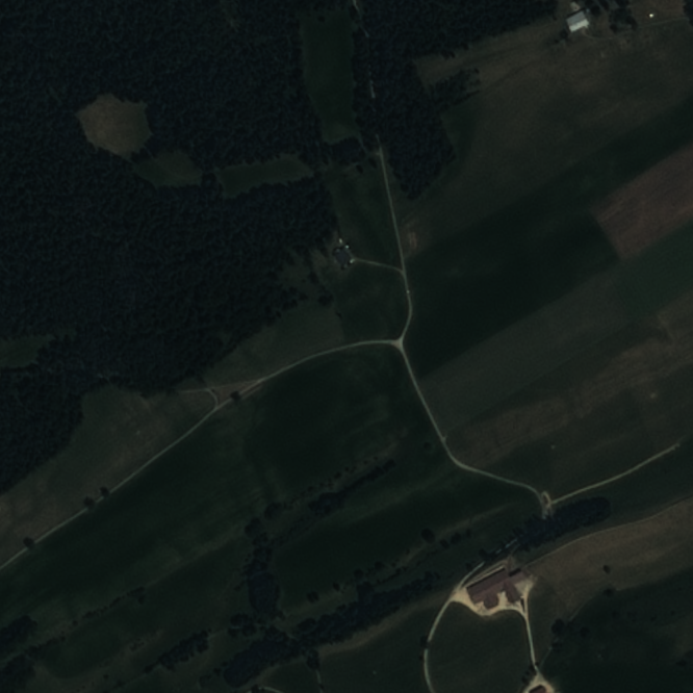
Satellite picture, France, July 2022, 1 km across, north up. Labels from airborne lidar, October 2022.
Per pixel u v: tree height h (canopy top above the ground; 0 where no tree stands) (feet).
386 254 0
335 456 0
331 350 0
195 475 0
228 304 21
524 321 0
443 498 0
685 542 0
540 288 0
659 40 0
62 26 61
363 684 0
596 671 0
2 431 70
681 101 0
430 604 0
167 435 0
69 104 62
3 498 0
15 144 69
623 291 0
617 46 0
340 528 0
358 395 0
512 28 25
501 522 0
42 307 69
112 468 0
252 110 65
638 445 0
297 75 59
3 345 0
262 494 0
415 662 0
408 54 56
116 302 56
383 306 0
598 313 0
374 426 0
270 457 0
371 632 0
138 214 73
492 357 0
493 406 0
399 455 0
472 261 0
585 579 0
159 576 0
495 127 0
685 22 0
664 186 0
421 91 50
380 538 0
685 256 0
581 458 0
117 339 62
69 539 0
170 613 0
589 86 0
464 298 0
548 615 0
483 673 0
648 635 0
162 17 57
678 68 0
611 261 0
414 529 0
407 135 85
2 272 58
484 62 0
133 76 46
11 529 0
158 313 58
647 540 0
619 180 0
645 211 0
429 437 0
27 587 0
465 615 0
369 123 59
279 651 85
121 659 0
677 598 0
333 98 0
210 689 0
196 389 0
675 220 0
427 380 0
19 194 56
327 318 0
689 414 0
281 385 0
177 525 0
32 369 48
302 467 0
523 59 0
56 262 72
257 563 55
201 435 0
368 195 0
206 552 0
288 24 66
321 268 0
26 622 51
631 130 0
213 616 0
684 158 0
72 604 0
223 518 0
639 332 0
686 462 0
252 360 0
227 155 51
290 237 51
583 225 0
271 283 50
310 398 0
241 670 74
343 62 0
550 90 0
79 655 0
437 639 0
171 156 0
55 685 0
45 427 54
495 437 0
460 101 23
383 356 0
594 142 0
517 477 0
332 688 0
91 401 0
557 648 28
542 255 0
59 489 0
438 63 0
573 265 0
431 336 0
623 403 0
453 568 0
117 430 0
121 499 0
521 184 0
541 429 0
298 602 0
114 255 53
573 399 0
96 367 84
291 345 0
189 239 45
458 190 0
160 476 0
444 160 54
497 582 0
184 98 44
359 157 64
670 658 0
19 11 53
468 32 43
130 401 0
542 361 0
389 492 0
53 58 75
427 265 0
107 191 79
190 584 0
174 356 63
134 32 53
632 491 0
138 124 0
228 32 54
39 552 0
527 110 0
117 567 0
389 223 0
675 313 0
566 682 0
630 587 0
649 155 0
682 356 0
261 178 0
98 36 51
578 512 74
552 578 0
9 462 50
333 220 65
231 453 0
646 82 0
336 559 0
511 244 0
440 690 0
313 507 33
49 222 68
